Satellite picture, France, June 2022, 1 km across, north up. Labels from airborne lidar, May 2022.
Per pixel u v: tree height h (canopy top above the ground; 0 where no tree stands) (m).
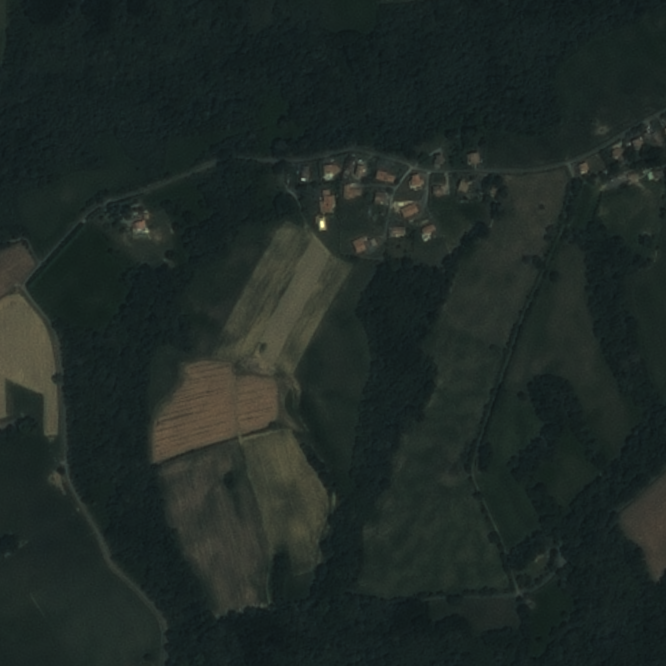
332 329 0
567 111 0
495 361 0
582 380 0
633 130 7
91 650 0
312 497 0
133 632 0
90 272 0
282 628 23
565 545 9
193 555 0
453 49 12
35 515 0
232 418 0
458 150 7
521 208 0
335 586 26
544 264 14
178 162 0
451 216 0
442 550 0
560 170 0
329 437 0
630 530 0
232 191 10
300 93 15
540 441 17
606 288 21
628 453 20
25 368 0
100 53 11
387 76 10
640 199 0
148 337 17
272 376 0
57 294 0
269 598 0
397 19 13
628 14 7
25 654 0
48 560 0
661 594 17
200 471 0
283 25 8
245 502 0
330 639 10
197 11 20
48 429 0
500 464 0
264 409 0
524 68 7
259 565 0
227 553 0
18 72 10
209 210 7
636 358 20
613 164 7
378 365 13
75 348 9
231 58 19
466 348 0
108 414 9
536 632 0
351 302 0
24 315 0
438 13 18
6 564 0
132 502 21
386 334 12
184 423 0
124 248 0
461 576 0
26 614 0
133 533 15
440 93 6
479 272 0
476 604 0
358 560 11
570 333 0
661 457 15
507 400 0
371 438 7
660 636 14
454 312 0
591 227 13
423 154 8
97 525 0
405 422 17
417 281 23
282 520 0
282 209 10
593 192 0
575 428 9
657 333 0
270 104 0
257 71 10
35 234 0
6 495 0
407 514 0
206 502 0
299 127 6
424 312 8
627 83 0
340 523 18
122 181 0
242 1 7
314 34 17
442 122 9
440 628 16
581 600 15
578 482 0
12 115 14
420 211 0
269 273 0
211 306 0
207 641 20
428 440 0
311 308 0
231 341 0
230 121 8
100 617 0
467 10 6
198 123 11
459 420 0
